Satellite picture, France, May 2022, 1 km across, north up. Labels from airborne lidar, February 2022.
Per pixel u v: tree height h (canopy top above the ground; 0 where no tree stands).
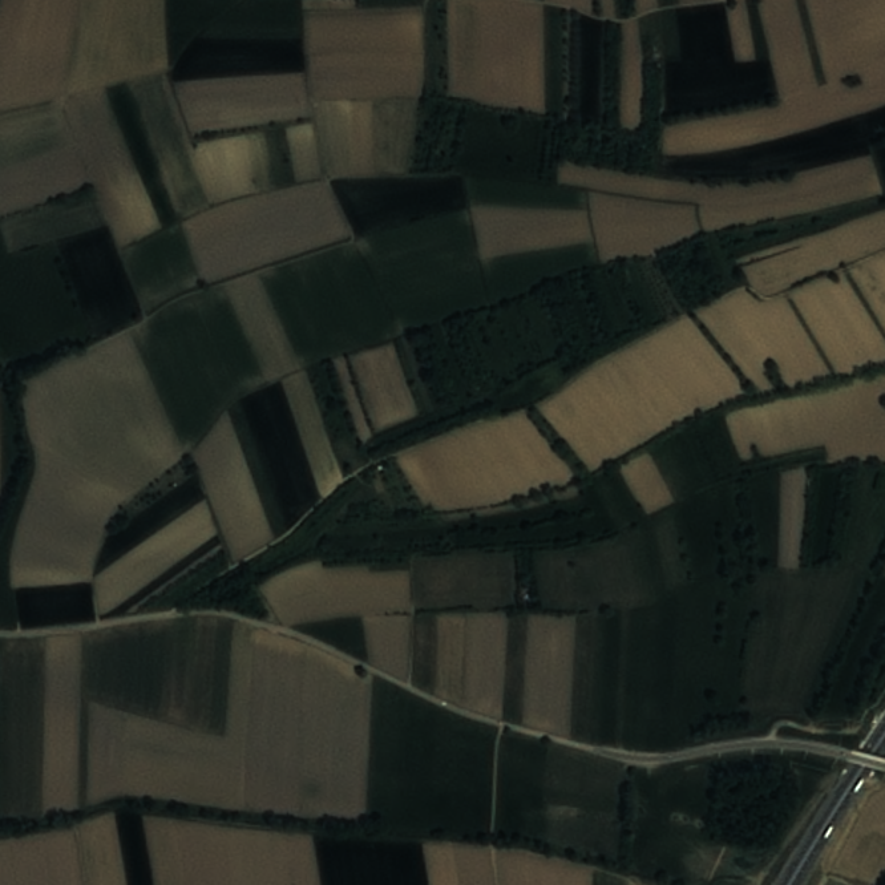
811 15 0
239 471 0
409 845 0
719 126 0
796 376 0
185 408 0
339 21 0
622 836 6
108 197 0
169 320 0
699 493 0
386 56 0
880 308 0
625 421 0
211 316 0
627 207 0
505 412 8
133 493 0
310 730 0
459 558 0
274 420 0
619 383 0
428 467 0
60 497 0
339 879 0
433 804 0
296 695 0
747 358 0
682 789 0
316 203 0
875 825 0
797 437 0
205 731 0
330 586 0
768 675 0
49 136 0
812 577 0
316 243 0
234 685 0
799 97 0
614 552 0
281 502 0
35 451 0
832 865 0
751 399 11
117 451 0
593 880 0
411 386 7
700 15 0
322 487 0
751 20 0
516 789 0
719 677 0
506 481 0
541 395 0
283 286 0
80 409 0
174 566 0
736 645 0
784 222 0
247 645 0
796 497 0
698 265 11
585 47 0
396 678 0
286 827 20
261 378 0
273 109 0
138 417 0
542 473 0
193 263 0
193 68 0
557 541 8
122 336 0
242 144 0
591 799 0
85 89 0
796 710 0
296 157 0
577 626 0
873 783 0
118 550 0
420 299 0
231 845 0
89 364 0
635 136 10
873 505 0
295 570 0
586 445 0
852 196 0
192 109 0
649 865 0
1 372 16
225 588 6
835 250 0
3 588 0
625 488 0
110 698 0
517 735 0
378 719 0
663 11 0
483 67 0
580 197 0
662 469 0
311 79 0
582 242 0
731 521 0
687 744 0
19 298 0
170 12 0
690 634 0
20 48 0
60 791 0
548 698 0
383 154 0
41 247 0
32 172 0
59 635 0
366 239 0
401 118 0
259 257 0
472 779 0
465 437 0
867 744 0
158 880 0
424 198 0
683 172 0
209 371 0
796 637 0
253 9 0
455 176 0
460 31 0
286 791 0
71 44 0
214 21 0
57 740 0
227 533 0
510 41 0
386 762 0
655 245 0
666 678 0
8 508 17
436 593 0
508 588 0
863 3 0
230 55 0
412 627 0
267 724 0
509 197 0
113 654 0
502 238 0
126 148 0
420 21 0
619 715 0
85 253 0
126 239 0
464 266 0
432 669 0
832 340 0
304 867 0
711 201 0
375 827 16
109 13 0
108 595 0
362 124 0
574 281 5
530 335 0
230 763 0
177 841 0
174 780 0
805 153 0
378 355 0
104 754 0
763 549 0
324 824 13
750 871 0
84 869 0
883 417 0
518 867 0
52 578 0
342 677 0
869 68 0
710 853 0
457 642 0
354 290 0
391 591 0
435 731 0
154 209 0
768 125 0
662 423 0
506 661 0
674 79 0
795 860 0
